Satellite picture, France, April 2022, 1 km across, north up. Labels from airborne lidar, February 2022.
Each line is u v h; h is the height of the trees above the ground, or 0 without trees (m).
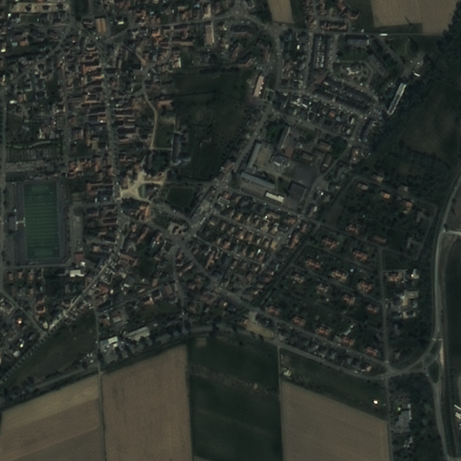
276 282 0
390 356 0
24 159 0
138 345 20
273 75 0
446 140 0
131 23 0
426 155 11
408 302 0
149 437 0
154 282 0
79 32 0
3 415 0
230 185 0
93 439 0
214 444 0
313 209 0
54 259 0
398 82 0
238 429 0
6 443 0
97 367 0
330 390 0
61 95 0
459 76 0
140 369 0
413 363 0
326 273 7
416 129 0
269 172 0
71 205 0
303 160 0
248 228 0
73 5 0
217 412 0
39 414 0
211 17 0
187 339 0
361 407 0
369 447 0
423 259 13
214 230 0
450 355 0
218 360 0
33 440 0
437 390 0
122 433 0
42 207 0
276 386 0
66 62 0
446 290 0
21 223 0
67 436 0
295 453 0
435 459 0
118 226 0
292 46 0
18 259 0
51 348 0
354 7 0
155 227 0
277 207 0
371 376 0
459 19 20
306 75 0
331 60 0
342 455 0
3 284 0
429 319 15
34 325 0
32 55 8
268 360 0
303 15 0
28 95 0
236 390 0
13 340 0
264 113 0
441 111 0
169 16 0
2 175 0
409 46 0
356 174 7
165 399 0
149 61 0
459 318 0
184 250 0
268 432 0
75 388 0
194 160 0
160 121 0
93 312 0
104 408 0
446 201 0
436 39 0
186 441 0
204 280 15
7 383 0
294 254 0
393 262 0
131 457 0
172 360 0
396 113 11
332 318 0
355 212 10
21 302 7
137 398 0
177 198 0
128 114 0
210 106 11
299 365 0
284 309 17
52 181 0
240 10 0
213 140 0
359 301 6
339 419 0
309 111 0
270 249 0
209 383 0
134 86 0
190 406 0
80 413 0
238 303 0
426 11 0
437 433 0
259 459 0
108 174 0
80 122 10
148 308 0
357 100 0
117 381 0
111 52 0
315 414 0
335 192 0
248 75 0
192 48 12
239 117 0
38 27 0
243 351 0
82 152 0
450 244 0
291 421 0
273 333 0
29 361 0
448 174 13
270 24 0
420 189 11
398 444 12
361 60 0
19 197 0
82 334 0
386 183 6
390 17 0
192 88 0
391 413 6
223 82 0
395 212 16
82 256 0
